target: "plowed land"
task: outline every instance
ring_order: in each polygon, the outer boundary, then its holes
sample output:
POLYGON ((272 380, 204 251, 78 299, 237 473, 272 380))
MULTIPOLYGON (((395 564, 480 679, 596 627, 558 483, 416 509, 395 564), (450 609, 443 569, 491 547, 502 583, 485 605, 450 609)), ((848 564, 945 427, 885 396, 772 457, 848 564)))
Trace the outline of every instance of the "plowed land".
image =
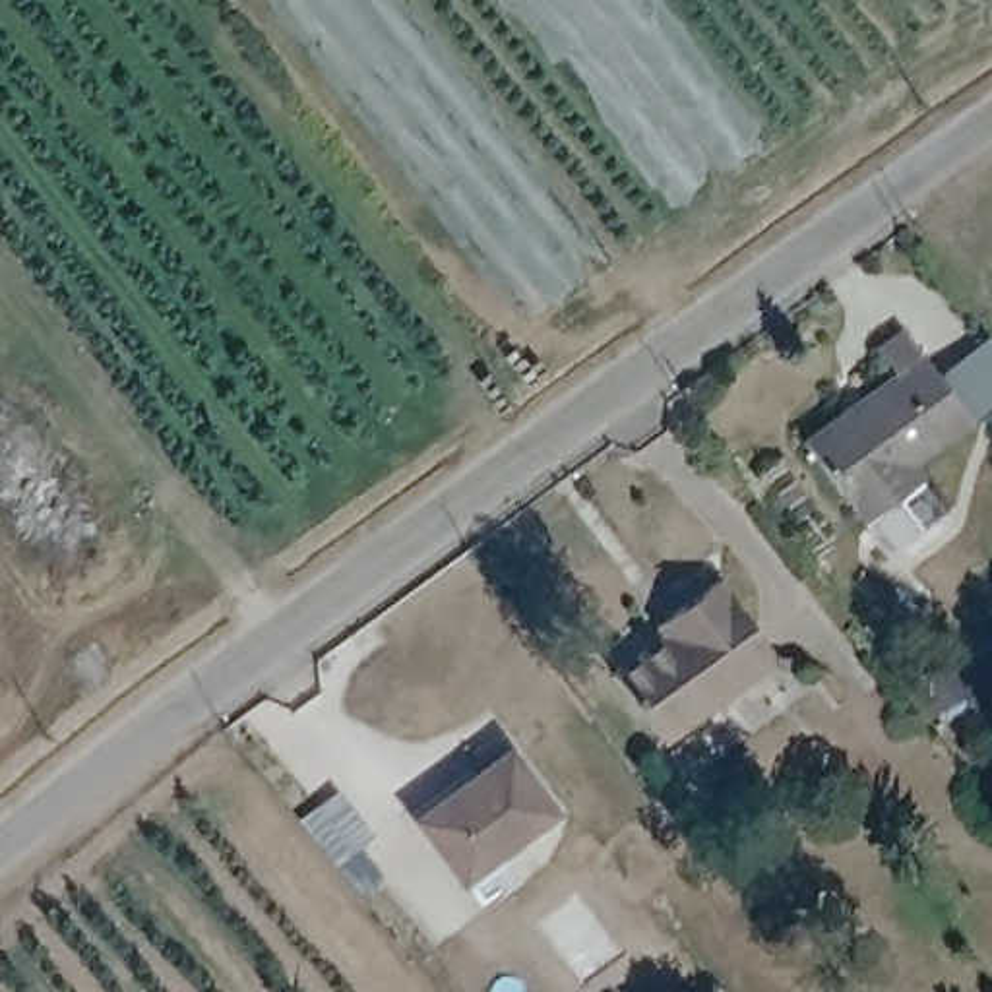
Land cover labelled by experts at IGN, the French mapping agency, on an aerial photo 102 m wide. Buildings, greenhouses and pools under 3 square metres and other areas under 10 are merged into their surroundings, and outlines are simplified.
POLYGON ((35 930, 35 938, 78 992, 105 992, 97 977, 81 965, 81 957, 47 922, 35 930))
POLYGON ((163 899, 163 907, 178 918, 186 942, 209 965, 221 992, 267 992, 252 961, 225 938, 225 930, 182 884, 163 899))
POLYGON ((248 891, 225 868, 213 876, 225 903, 248 918, 248 926, 267 942, 267 949, 283 965, 287 980, 302 992, 333 992, 291 949, 279 926, 248 899, 248 891))
POLYGON ((147 961, 147 969, 167 992, 198 992, 159 953, 147 961))
POLYGON ((244 864, 256 872, 256 880, 287 907, 295 926, 345 973, 345 980, 357 992, 430 992, 430 984, 411 965, 403 965, 388 949, 388 942, 353 911, 345 884, 353 880, 337 868, 337 860, 329 860, 329 853, 318 845, 302 818, 279 814, 271 798, 260 794, 244 806, 244 818, 225 833, 244 856, 244 864))

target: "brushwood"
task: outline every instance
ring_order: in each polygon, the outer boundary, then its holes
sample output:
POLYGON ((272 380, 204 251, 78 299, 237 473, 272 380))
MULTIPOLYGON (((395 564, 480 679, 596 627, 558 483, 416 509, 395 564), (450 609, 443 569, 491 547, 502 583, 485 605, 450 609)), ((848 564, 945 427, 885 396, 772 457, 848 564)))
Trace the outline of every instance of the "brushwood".
POLYGON ((957 267, 907 221, 891 225, 887 236, 860 248, 856 267, 868 275, 915 275, 922 287, 938 295, 957 267))
POLYGON ((729 341, 736 353, 729 360, 736 368, 752 353, 767 353, 771 345, 767 329, 760 326, 729 341))
POLYGON ((895 341, 903 329, 899 322, 884 322, 868 333, 864 357, 856 360, 860 388, 837 388, 833 380, 818 380, 818 403, 794 419, 798 438, 810 442, 841 411, 849 411, 856 399, 880 388, 880 360, 887 357, 884 345, 895 341))
POLYGON ((806 523, 783 504, 791 477, 779 477, 763 496, 752 496, 744 504, 752 523, 767 535, 783 566, 794 574, 810 566, 818 554, 806 523))

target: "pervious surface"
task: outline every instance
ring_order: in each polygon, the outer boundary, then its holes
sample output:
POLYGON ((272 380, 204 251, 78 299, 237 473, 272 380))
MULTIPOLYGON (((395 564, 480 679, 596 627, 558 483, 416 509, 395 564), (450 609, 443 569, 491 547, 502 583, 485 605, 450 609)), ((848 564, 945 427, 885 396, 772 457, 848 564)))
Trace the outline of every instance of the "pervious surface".
POLYGON ((54 767, 47 767, 27 791, 0 806, 0 825, 8 825, 31 798, 54 787, 62 775, 70 775, 78 763, 85 763, 101 744, 120 736, 132 721, 159 709, 198 670, 217 663, 229 647, 236 647, 252 628, 295 605, 345 562, 353 562, 353 554, 391 535, 415 512, 434 504, 446 488, 477 473, 488 457, 531 434, 539 422, 546 422, 558 407, 574 403, 612 368, 628 364, 659 333, 705 310, 717 295, 756 275, 798 236, 841 213, 845 205, 860 202, 872 186, 903 174, 911 159, 926 155, 965 120, 992 109, 992 97, 984 93, 953 116, 946 116, 922 140, 907 143, 880 171, 868 171, 856 186, 818 205, 806 221, 798 221, 775 244, 748 256, 698 298, 686 291, 682 298, 651 314, 651 326, 639 337, 632 337, 616 357, 601 360, 593 372, 577 376, 574 388, 558 391, 523 419, 508 426, 496 446, 469 453, 457 469, 442 473, 430 488, 395 508, 380 527, 364 531, 353 546, 345 546, 337 558, 329 558, 291 589, 264 593, 256 589, 256 577, 244 566, 221 589, 236 597, 236 620, 217 643, 209 643, 178 670, 159 678, 140 701, 124 705, 109 725, 101 725, 54 767))

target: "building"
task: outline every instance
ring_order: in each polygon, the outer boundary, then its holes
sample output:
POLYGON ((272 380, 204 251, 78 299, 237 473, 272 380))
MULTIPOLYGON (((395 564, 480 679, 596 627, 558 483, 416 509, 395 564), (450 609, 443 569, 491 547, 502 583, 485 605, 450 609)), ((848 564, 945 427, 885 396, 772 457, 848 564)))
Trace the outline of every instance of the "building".
POLYGON ((969 709, 973 698, 961 678, 938 690, 938 698, 930 701, 930 717, 938 717, 938 729, 953 729, 953 721, 969 709))
POLYGON ((481 876, 512 860, 554 822, 558 806, 543 794, 543 787, 531 779, 531 771, 512 748, 504 760, 496 760, 477 779, 442 798, 434 810, 426 810, 419 825, 426 829, 430 845, 450 864, 457 884, 473 887, 481 876))
POLYGON ((380 880, 380 868, 368 860, 368 825, 337 791, 326 806, 302 818, 318 845, 329 853, 329 860, 337 860, 337 868, 353 880, 380 880))
POLYGON ((992 349, 977 349, 957 368, 942 372, 934 368, 934 353, 922 353, 903 329, 895 341, 884 345, 887 357, 880 360, 880 388, 856 399, 849 411, 841 411, 810 442, 814 453, 829 469, 837 469, 837 492, 872 519, 903 504, 903 496, 918 484, 918 473, 926 473, 922 465, 938 450, 946 450, 961 434, 973 438, 988 438, 992 430, 992 349))
POLYGON ((636 670, 616 674, 624 690, 639 705, 647 705, 651 725, 643 732, 655 744, 682 744, 705 721, 729 725, 732 698, 756 686, 760 678, 771 678, 787 663, 775 655, 775 647, 763 643, 752 616, 740 608, 732 589, 717 581, 694 608, 663 624, 655 655, 647 655, 636 670))

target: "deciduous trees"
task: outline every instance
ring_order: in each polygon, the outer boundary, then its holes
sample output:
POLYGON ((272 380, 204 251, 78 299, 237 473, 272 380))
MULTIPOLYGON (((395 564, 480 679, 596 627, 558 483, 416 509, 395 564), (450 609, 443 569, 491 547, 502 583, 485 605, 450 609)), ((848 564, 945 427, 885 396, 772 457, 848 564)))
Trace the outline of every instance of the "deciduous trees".
POLYGON ((112 388, 128 395, 132 411, 140 415, 140 426, 163 446, 171 465, 217 515, 225 515, 236 527, 275 539, 287 550, 326 515, 368 492, 391 469, 419 457, 426 446, 434 446, 446 434, 450 360, 442 357, 434 329, 411 310, 411 302, 391 287, 391 279, 380 275, 380 264, 360 248, 357 233, 349 233, 337 221, 337 205, 302 178, 298 155, 275 143, 256 101, 244 97, 240 85, 213 62, 209 39, 221 27, 229 27, 229 35, 240 47, 240 58, 252 70, 260 70, 260 78, 275 93, 291 89, 291 78, 267 47, 264 31, 256 31, 248 16, 240 16, 229 0, 0 0, 0 236, 27 264, 43 295, 50 295, 62 306, 70 329, 89 341, 89 353, 109 372, 112 388))
POLYGON ((287 980, 283 965, 267 949, 267 942, 248 926, 248 918, 225 903, 213 876, 159 822, 147 845, 178 868, 182 884, 225 930, 225 938, 252 961, 267 992, 302 992, 287 980))
POLYGON ((853 992, 856 984, 887 984, 891 969, 880 965, 887 942, 880 934, 860 934, 856 895, 849 895, 841 880, 833 891, 818 891, 814 911, 798 911, 798 926, 783 938, 814 942, 814 977, 822 992, 853 992))
POLYGON ((957 620, 942 632, 899 624, 887 639, 884 663, 872 670, 880 694, 880 725, 891 740, 926 736, 930 717, 930 701, 938 698, 938 690, 961 678, 973 655, 961 639, 957 620))
POLYGON ((899 841, 880 849, 880 860, 891 876, 926 872, 930 864, 949 860, 946 845, 938 845, 934 829, 922 822, 922 829, 903 829, 899 841))
POLYGON ((35 938, 16 942, 8 949, 8 961, 0 965, 0 992, 78 992, 35 938))
POLYGON ((81 965, 97 977, 105 992, 124 992, 112 969, 101 961, 101 953, 78 934, 78 926, 70 926, 58 899, 47 911, 47 922, 81 957, 81 965))
POLYGON ((667 787, 674 771, 663 756, 651 756, 636 760, 643 791, 667 787))
POLYGON ((698 380, 686 391, 686 399, 663 407, 663 430, 686 446, 686 465, 701 477, 713 477, 721 469, 725 438, 709 426, 709 411, 721 403, 736 368, 729 360, 713 368, 705 380, 698 380))
POLYGON ((570 182, 581 190, 581 198, 597 209, 601 225, 616 240, 647 236, 655 221, 682 225, 682 209, 670 205, 663 194, 647 190, 643 178, 628 167, 612 132, 601 128, 597 101, 589 85, 577 78, 577 70, 570 62, 543 62, 543 47, 527 35, 519 19, 504 16, 496 0, 426 0, 442 31, 453 39, 453 47, 481 66, 484 81, 508 101, 508 112, 515 112, 531 140, 543 147, 543 155, 570 174, 570 182))
POLYGON ((279 926, 291 949, 333 992, 357 992, 345 980, 345 973, 295 926, 287 907, 256 880, 256 872, 244 864, 244 856, 225 833, 198 806, 194 791, 186 802, 178 802, 194 829, 217 849, 225 868, 248 891, 248 899, 279 926))
POLYGON ((984 732, 953 748, 949 779, 953 814, 973 837, 980 837, 992 849, 992 736, 984 732))
POLYGON ((678 864, 678 876, 686 884, 725 880, 744 899, 756 891, 756 880, 775 876, 794 856, 802 856, 802 841, 849 841, 864 833, 876 771, 849 763, 841 748, 833 748, 822 736, 794 736, 783 748, 775 771, 763 771, 752 787, 705 802, 690 818, 690 853, 678 864))
POLYGON ((527 632, 527 647, 558 674, 577 678, 589 667, 608 663, 620 636, 601 620, 597 597, 577 577, 562 585, 562 597, 554 605, 539 608, 539 628, 527 632))
POLYGON ((105 918, 93 895, 81 903, 81 915, 120 953, 120 961, 143 992, 167 992, 147 969, 147 961, 105 918))
POLYGON ((221 992, 209 965, 186 942, 167 934, 155 922, 155 915, 132 895, 132 887, 124 887, 112 899, 159 953, 198 992, 221 992))
POLYGON ((849 112, 853 93, 880 93, 891 81, 915 81, 918 74, 911 70, 911 58, 918 54, 918 19, 911 12, 918 4, 942 12, 946 0, 667 0, 709 50, 709 58, 721 70, 721 81, 744 89, 756 101, 760 116, 779 132, 806 124, 814 85, 829 85, 833 101, 849 112))

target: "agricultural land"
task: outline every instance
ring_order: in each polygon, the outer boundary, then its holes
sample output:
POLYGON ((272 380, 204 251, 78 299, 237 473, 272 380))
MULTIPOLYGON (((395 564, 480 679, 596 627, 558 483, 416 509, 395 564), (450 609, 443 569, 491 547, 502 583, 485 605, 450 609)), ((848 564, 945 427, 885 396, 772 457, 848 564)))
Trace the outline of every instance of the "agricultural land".
POLYGON ((205 608, 221 589, 244 566, 233 550, 236 527, 225 515, 217 515, 171 465, 163 446, 140 426, 140 415, 132 411, 128 395, 112 388, 109 372, 89 353, 89 341, 70 329, 62 306, 50 295, 43 295, 27 264, 0 236, 0 767, 31 740, 47 736, 66 709, 81 701, 81 694, 109 686, 116 667, 132 663, 178 620, 205 608))

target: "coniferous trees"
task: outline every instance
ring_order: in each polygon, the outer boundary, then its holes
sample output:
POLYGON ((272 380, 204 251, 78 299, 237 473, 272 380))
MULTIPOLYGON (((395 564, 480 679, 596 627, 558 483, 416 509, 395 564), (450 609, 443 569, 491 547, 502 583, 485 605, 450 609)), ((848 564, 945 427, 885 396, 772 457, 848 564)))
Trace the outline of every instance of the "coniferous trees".
POLYGON ((760 326, 767 329, 771 345, 783 357, 802 357, 798 326, 771 298, 760 298, 760 326))

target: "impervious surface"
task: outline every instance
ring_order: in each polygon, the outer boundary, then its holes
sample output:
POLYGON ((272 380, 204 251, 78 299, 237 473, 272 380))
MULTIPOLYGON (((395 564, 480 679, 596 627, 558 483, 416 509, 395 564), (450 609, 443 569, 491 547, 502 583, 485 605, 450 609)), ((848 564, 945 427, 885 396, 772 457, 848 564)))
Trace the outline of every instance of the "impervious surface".
POLYGON ((85 763, 78 763, 70 775, 62 775, 54 787, 31 798, 8 825, 0 825, 0 887, 23 864, 35 864, 50 849, 78 837, 85 825, 93 825, 155 767, 163 767, 182 744, 190 744, 209 721, 217 725, 217 732, 229 732, 233 721, 248 717, 248 729, 267 740, 267 748, 287 763, 287 771, 306 791, 333 783, 337 791, 368 825, 368 860, 380 868, 380 880, 407 907, 411 918, 419 918, 430 942, 442 942, 484 907, 512 895, 535 868, 550 860, 554 845, 566 833, 566 825, 554 822, 512 860, 481 876, 473 887, 457 884, 450 864, 430 845, 426 829, 419 825, 426 810, 434 810, 442 798, 477 779, 496 760, 504 760, 512 748, 508 736, 492 725, 488 709, 422 744, 384 736, 353 721, 345 713, 345 686, 353 667, 380 647, 380 632, 372 628, 372 620, 395 608, 430 577, 438 577, 457 558, 473 554, 465 535, 481 531, 488 519, 512 512, 515 504, 539 508, 546 492, 562 488, 562 500, 589 527, 597 546, 616 562, 616 570, 628 581, 628 593, 636 597, 636 605, 624 608, 628 636, 620 636, 608 663, 608 670, 616 674, 636 670, 647 655, 655 655, 663 624, 694 608, 717 581, 721 546, 732 546, 732 554, 740 558, 744 574, 760 593, 752 616, 763 643, 775 647, 775 655, 787 663, 771 678, 760 678, 756 686, 732 698, 729 725, 705 721, 682 744, 655 744, 651 756, 663 756, 674 771, 690 779, 717 752, 732 748, 740 732, 779 717, 791 705, 779 690, 779 674, 787 667, 798 682, 818 682, 825 674, 833 686, 872 670, 884 663, 887 639, 899 624, 942 632, 957 620, 957 605, 922 597, 899 577, 965 527, 977 484, 992 473, 992 430, 988 438, 973 438, 957 500, 934 527, 903 504, 872 519, 860 531, 864 566, 853 570, 853 612, 841 624, 833 624, 833 616, 794 574, 783 566, 767 535, 752 523, 744 504, 729 492, 729 484, 713 477, 701 477, 686 465, 686 446, 663 430, 663 407, 686 399, 686 391, 698 380, 705 380, 713 368, 729 360, 736 353, 729 341, 760 326, 760 298, 771 298, 798 326, 810 314, 814 298, 829 291, 841 298, 845 333, 837 337, 833 380, 837 388, 860 388, 856 360, 864 357, 868 333, 884 322, 899 322, 903 329, 922 353, 934 353, 934 368, 942 372, 957 368, 977 349, 961 333, 961 318, 949 314, 946 298, 938 295, 922 287, 915 275, 868 275, 856 267, 860 248, 887 236, 891 225, 907 221, 907 198, 915 190, 934 182, 946 167, 953 167, 961 155, 977 147, 992 151, 992 109, 965 120, 926 155, 911 159, 903 174, 872 186, 860 202, 845 205, 841 213, 798 236, 756 275, 717 295, 705 310, 659 333, 628 364, 612 368, 574 403, 558 407, 546 422, 539 422, 531 434, 488 457, 477 473, 446 488, 434 504, 415 512, 391 535, 353 554, 353 562, 345 562, 295 605, 252 628, 236 647, 229 647, 217 663, 198 670, 159 709, 132 721, 120 736, 101 744, 85 763), (663 562, 651 581, 589 504, 593 481, 585 477, 585 465, 608 450, 620 450, 620 461, 628 469, 655 473, 663 484, 670 484, 670 492, 686 508, 694 508, 709 527, 709 546, 701 546, 690 562, 663 562))
POLYGON ((566 353, 539 353, 543 376, 527 372, 512 391, 523 419, 558 391, 574 388, 577 376, 593 372, 601 360, 616 357, 632 337, 639 337, 651 326, 651 314, 636 298, 624 314, 612 314, 589 329, 574 329, 566 353))
POLYGON ((554 942, 554 949, 570 961, 570 969, 585 977, 605 957, 612 957, 612 938, 581 899, 566 899, 554 915, 543 918, 543 930, 554 942))

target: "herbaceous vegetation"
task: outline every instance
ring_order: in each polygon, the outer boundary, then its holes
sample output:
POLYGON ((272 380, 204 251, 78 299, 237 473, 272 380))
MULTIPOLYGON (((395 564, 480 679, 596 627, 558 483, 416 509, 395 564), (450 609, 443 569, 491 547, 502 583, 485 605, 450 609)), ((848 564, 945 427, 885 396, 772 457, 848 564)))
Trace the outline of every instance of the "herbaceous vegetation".
POLYGON ((717 581, 732 589, 740 608, 752 616, 760 593, 744 574, 740 558, 732 554, 732 546, 721 546, 717 581))
POLYGON ((961 333, 977 349, 992 349, 992 151, 977 147, 961 155, 953 167, 946 167, 934 182, 915 190, 907 198, 907 221, 957 267, 938 295, 946 298, 949 314, 961 318, 961 333))
POLYGON ((109 725, 124 705, 140 701, 159 678, 178 670, 209 643, 217 643, 236 620, 236 597, 221 589, 205 608, 178 620, 132 663, 116 667, 109 686, 81 694, 81 701, 66 709, 47 736, 31 740, 0 767, 0 806, 27 791, 47 767, 54 767, 101 725, 109 725))
POLYGON ((178 802, 186 802, 194 791, 198 806, 225 833, 244 818, 244 806, 260 794, 271 798, 279 814, 302 818, 326 806, 337 791, 333 783, 306 791, 287 771, 287 763, 267 748, 267 740, 248 729, 248 717, 233 721, 229 732, 217 732, 217 725, 209 721, 190 744, 182 744, 163 767, 155 767, 93 825, 85 825, 78 837, 50 849, 35 864, 23 864, 0 887, 0 965, 8 961, 8 949, 16 942, 35 938, 35 930, 47 922, 47 911, 58 899, 70 926, 78 926, 78 934, 101 953, 101 961, 112 969, 124 992, 143 992, 120 961, 120 953, 81 915, 81 903, 93 895, 105 918, 147 961, 159 953, 112 899, 124 887, 132 887, 132 895, 155 915, 155 922, 167 934, 186 942, 178 918, 163 907, 163 899, 182 884, 178 868, 147 845, 159 822, 213 876, 225 868, 217 849, 194 829, 178 802))
POLYGON ((585 477, 593 481, 589 504, 651 581, 663 562, 690 562, 701 546, 709 546, 709 527, 694 508, 686 508, 670 492, 670 484, 663 484, 655 473, 628 469, 620 461, 620 450, 608 450, 585 465, 585 477))
POLYGON ((837 337, 845 333, 841 298, 829 291, 814 298, 810 314, 798 326, 802 357, 783 357, 771 345, 767 353, 752 353, 736 368, 721 403, 709 411, 709 426, 725 438, 721 469, 713 477, 729 484, 729 492, 744 504, 752 496, 763 496, 779 477, 791 477, 783 504, 806 523, 818 554, 810 566, 794 574, 833 616, 833 624, 841 624, 853 612, 853 570, 864 566, 860 531, 872 519, 837 492, 837 469, 829 469, 814 453, 810 442, 798 438, 794 419, 818 403, 818 380, 833 380, 837 337))
POLYGON ((833 101, 829 85, 814 85, 806 124, 779 132, 760 116, 756 101, 744 89, 721 81, 721 70, 709 58, 709 50, 667 0, 496 0, 504 16, 519 19, 527 35, 543 47, 543 62, 570 62, 577 70, 577 78, 589 85, 597 101, 601 128, 612 132, 628 167, 643 178, 647 190, 663 194, 670 205, 682 209, 682 225, 655 221, 647 236, 616 240, 601 225, 597 209, 581 198, 581 190, 570 182, 570 174, 543 155, 543 147, 531 140, 515 112, 508 112, 508 101, 484 81, 481 66, 453 47, 453 39, 442 31, 426 0, 229 0, 240 16, 248 16, 256 31, 264 31, 267 47, 291 78, 291 89, 275 93, 260 78, 260 70, 252 70, 240 58, 240 47, 229 35, 229 27, 221 27, 209 39, 213 62, 240 85, 244 97, 256 101, 275 143, 298 155, 302 178, 337 205, 337 221, 349 233, 357 233, 360 248, 380 264, 380 275, 391 279, 391 287, 411 302, 411 310, 434 329, 442 357, 450 360, 446 434, 434 446, 426 446, 419 457, 391 469, 368 492, 326 515, 287 550, 275 539, 236 527, 233 550, 244 566, 256 577, 256 589, 264 593, 291 589, 329 558, 337 558, 345 546, 353 546, 364 531, 380 527, 395 508, 430 488, 442 473, 457 469, 469 453, 496 446, 508 426, 523 419, 512 391, 527 372, 543 376, 539 353, 566 353, 574 329, 589 329, 612 314, 624 314, 636 298, 651 314, 682 298, 686 291, 698 298, 748 256, 775 244, 798 221, 806 221, 818 205, 856 186, 868 171, 880 171, 907 143, 922 140, 946 116, 953 116, 984 93, 992 97, 992 0, 946 0, 942 12, 918 4, 911 12, 918 19, 918 54, 911 58, 911 70, 918 74, 915 81, 891 81, 880 93, 853 93, 849 112, 833 101))
POLYGON ((841 880, 849 895, 856 895, 860 934, 880 934, 887 942, 880 965, 891 969, 887 984, 856 984, 853 992, 992 992, 992 849, 980 837, 973 837, 953 814, 949 779, 953 748, 984 732, 992 736, 992 473, 977 484, 965 527, 899 577, 922 597, 957 605, 957 620, 961 639, 973 655, 961 678, 973 698, 969 709, 953 721, 953 729, 938 729, 938 717, 930 717, 926 736, 891 740, 880 725, 880 694, 872 670, 833 686, 825 674, 818 682, 798 682, 787 667, 779 674, 779 690, 791 705, 779 717, 740 732, 732 748, 717 752, 690 779, 674 771, 667 787, 643 791, 636 760, 651 756, 655 744, 643 732, 651 725, 647 705, 639 705, 624 690, 616 674, 608 670, 608 663, 589 667, 577 678, 558 674, 527 647, 527 632, 539 628, 539 608, 554 605, 562 597, 562 585, 577 577, 597 597, 601 620, 620 636, 628 636, 624 608, 636 605, 636 597, 628 593, 628 581, 616 570, 616 562, 597 546, 589 527, 562 500, 562 488, 546 492, 539 508, 515 504, 512 512, 488 519, 481 531, 465 535, 473 554, 457 558, 438 577, 430 577, 395 608, 372 620, 372 628, 380 632, 380 647, 353 667, 345 686, 345 713, 353 721, 384 736, 422 744, 488 709, 492 725, 508 736, 512 748, 531 771, 531 779, 543 787, 543 794, 558 806, 554 822, 566 825, 566 833, 554 845, 550 860, 535 868, 512 895, 484 907, 442 942, 430 942, 419 918, 411 918, 407 907, 380 880, 353 880, 345 884, 353 911, 388 942, 388 949, 403 965, 411 965, 430 984, 430 992, 822 992, 814 977, 814 942, 783 938, 798 926, 798 911, 814 911, 818 891, 833 891, 841 880), (678 864, 690 853, 690 818, 705 802, 752 787, 763 771, 775 771, 783 748, 794 736, 822 736, 833 748, 841 748, 849 763, 876 771, 864 833, 849 841, 802 841, 802 856, 794 856, 775 876, 756 880, 756 891, 744 899, 725 880, 686 884, 678 876, 678 864), (930 864, 926 872, 891 876, 880 860, 880 849, 899 841, 903 829, 922 829, 922 822, 934 829, 938 845, 946 845, 949 860, 930 864), (612 938, 612 957, 605 957, 585 977, 570 969, 570 961, 554 949, 554 942, 543 930, 543 918, 554 915, 566 899, 581 899, 612 938))
POLYGON ((973 438, 961 434, 946 450, 938 450, 922 465, 926 473, 918 473, 918 484, 903 496, 903 504, 934 527, 957 500, 973 438))

